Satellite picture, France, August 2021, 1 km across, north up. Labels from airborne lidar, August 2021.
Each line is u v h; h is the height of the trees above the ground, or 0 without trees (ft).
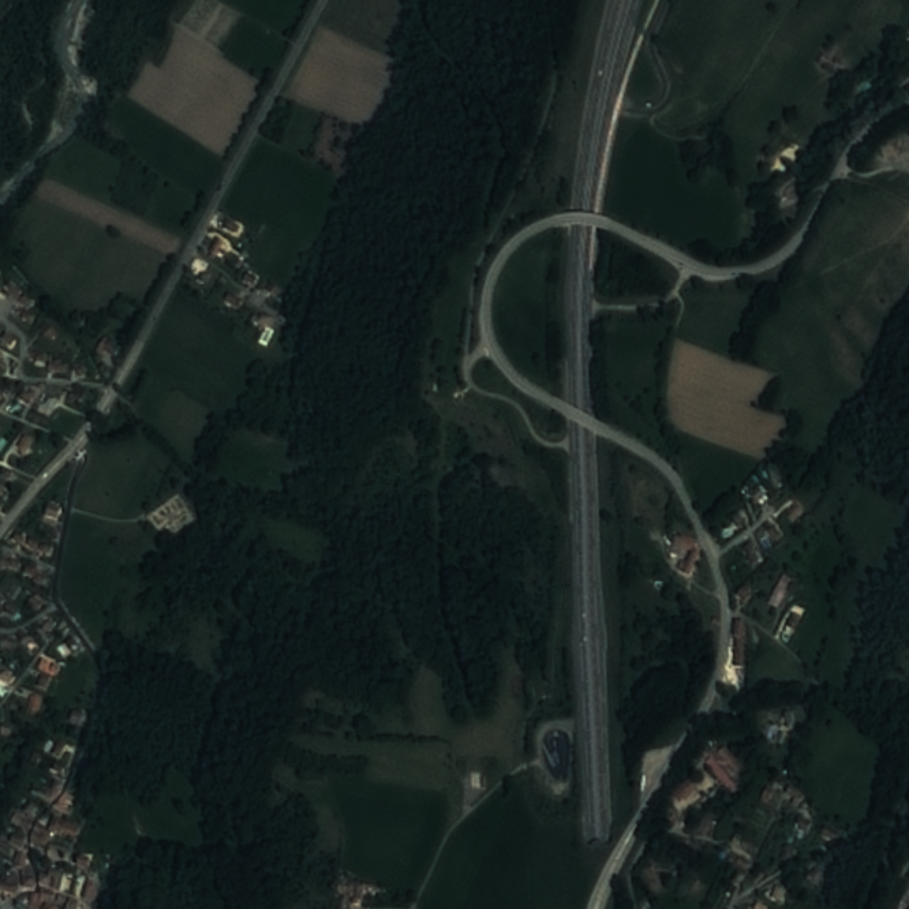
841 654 0
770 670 0
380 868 0
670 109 0
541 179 21
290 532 0
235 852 100
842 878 72
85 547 0
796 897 21
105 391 0
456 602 75
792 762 49
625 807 0
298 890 22
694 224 0
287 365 19
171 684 71
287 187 0
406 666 39
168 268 41
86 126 62
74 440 0
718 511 37
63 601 0
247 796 45
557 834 0
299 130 0
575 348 0
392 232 66
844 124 39
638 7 0
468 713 65
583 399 0
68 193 0
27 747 42
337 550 42
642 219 0
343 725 25
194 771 20
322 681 52
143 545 0
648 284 34
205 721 30
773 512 0
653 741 45
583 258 0
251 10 0
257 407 37
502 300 0
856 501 0
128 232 0
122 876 48
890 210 0
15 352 0
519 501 41
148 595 29
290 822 35
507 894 0
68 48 0
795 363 0
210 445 45
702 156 19
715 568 0
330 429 66
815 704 64
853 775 0
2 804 37
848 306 0
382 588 39
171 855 75
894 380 70
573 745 20
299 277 29
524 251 0
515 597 36
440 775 0
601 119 0
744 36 0
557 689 0
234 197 0
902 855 52
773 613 24
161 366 0
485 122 56
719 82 0
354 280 51
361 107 0
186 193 0
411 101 36
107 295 0
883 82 40
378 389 50
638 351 0
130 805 0
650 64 0
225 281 0
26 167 0
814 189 36
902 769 84
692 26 0
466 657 62
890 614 55
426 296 44
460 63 47
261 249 0
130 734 73
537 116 54
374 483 27
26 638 0
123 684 77
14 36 54
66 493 0
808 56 0
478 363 0
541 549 43
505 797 20
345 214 43
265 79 31
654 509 0
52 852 0
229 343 0
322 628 63
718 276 0
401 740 30
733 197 0
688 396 0
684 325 0
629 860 0
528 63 68
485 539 50
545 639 28
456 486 58
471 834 0
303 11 25
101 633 0
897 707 73
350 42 0
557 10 53
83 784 54
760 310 59
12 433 19
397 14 0
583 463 0
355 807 0
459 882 0
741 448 0
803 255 30
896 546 0
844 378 0
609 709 0
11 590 0
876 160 0
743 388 0
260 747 69
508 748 0
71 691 0
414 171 52
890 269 0
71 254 0
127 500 0
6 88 53
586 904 0
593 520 0
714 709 0
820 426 0
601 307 0
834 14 0
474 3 54
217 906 66
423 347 40
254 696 96
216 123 0
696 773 50
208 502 44
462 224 79
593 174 0
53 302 51
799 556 28
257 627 65
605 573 0
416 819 0
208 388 0
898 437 53
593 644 0
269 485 0
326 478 41
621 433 0
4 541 19
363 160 70
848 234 0
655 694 58
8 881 0
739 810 53
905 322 45
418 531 60
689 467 0
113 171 0
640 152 0
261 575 48
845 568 21
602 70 0
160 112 0
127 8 25
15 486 42
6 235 81
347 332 68
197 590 27
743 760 56
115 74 36
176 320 0
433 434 47
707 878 0
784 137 0
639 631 33
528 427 0
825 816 20
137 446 0
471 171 51
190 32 0
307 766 22
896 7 0
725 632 0
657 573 23
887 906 54
